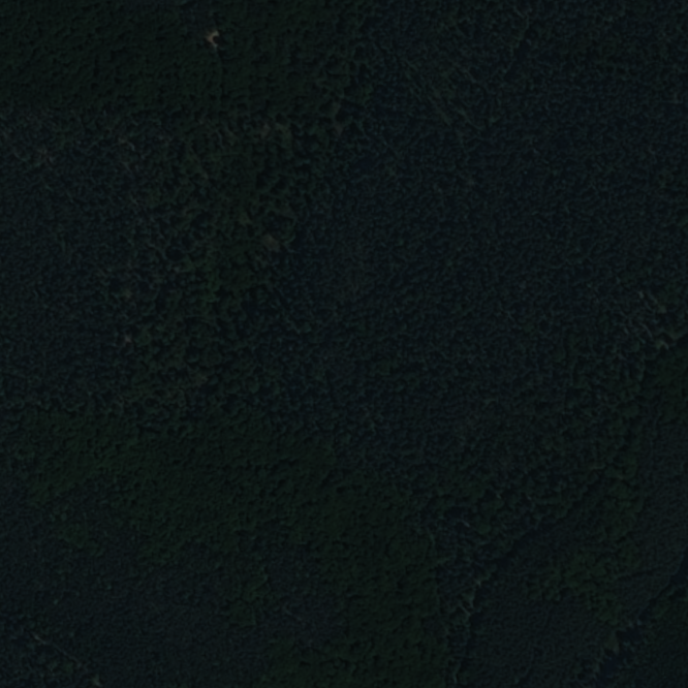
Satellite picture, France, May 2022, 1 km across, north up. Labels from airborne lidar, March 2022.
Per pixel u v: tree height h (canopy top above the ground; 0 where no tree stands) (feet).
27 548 67
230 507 81
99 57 74
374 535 88
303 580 81
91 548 67
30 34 77
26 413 72
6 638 90
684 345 71
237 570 63
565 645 69
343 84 82
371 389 88
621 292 109
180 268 95
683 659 70
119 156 113
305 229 64
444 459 83
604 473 63
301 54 79
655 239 85
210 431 80
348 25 80
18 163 71
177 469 75
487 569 94
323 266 93
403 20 93
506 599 76
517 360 94
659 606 68
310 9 90
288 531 79
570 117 105
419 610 91
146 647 65
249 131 108
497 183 112
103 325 89
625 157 114
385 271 94
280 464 84
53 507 64
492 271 96
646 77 100
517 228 108
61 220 115
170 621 74
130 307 98
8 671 98
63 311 115
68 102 76
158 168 111
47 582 73
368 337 90
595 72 107
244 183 63
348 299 72
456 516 114
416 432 94
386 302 90
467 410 97
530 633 94
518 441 52
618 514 89
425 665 79
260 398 93
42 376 100
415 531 76
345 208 94
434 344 114
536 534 113
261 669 83
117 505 82
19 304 90
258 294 45
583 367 89
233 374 82
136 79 81
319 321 96
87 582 68
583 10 112
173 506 62
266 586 66
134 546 61
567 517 88
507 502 101
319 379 46
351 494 79
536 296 94
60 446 70
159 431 80
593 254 98
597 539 49
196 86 76
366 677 91
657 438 98
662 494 83
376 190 91
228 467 80
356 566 95
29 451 76
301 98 95
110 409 109
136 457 76
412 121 85
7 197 92
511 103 105
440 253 96
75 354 106
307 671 73
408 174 104
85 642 71
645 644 54
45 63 65
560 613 92
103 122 110
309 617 81
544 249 103
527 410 104
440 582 103
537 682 90
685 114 107
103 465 66
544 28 43
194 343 105
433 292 95
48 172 104
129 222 104
